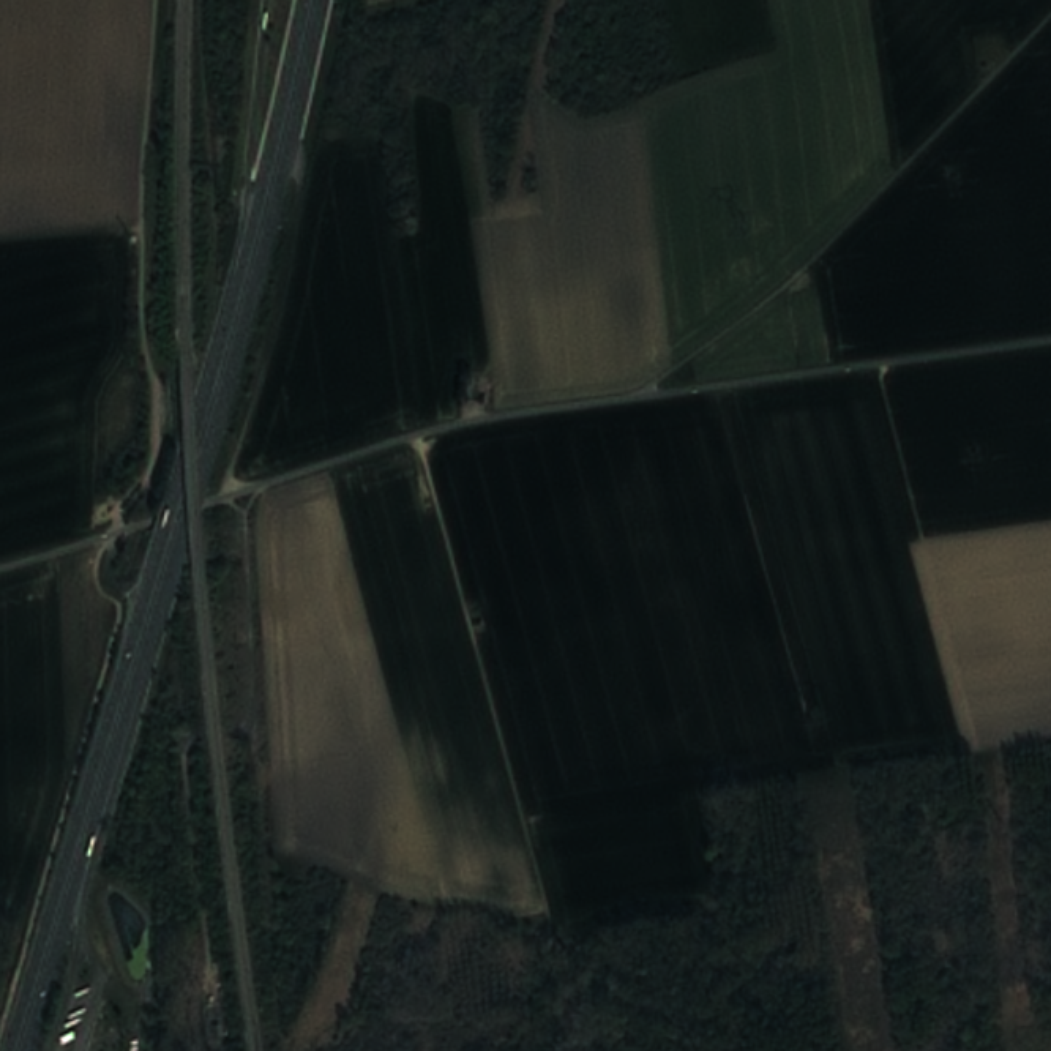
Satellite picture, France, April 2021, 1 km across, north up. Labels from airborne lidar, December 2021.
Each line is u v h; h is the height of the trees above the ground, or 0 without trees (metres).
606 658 0
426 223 0
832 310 0
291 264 0
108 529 0
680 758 0
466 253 0
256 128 0
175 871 19
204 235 7
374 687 0
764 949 22
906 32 0
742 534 0
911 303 0
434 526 0
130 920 0
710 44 0
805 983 21
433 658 0
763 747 0
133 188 0
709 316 0
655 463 0
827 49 0
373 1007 8
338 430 0
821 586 0
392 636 0
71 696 0
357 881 0
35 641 0
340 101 14
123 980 0
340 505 0
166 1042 35
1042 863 6
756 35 0
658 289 0
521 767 0
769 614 0
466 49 18
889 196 0
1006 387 0
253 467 0
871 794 23
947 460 0
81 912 0
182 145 0
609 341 0
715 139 0
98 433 0
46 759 0
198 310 8
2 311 0
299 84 0
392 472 0
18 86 0
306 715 0
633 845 0
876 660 0
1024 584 0
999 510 0
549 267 0
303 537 0
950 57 0
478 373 0
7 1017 0
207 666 0
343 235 0
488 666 0
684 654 0
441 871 0
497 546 0
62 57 0
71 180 0
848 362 0
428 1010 23
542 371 0
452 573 0
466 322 0
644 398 0
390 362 0
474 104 14
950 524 0
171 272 8
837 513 0
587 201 0
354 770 0
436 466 0
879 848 16
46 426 0
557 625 0
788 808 6
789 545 0
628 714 0
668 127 0
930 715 0
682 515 0
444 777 0
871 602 0
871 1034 0
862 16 0
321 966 14
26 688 0
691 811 0
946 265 0
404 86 11
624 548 0
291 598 0
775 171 0
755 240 0
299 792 0
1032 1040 0
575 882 0
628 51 7
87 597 0
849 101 0
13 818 0
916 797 18
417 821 0
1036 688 0
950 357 0
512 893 0
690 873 0
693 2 0
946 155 0
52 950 0
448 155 0
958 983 9
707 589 0
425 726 0
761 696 0
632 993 16
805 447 0
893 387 0
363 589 0
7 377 0
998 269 0
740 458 0
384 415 0
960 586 0
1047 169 0
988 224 0
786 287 0
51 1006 11
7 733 0
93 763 0
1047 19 0
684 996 22
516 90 8
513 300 0
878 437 0
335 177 0
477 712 0
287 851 0
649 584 0
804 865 22
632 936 25
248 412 0
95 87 0
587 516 0
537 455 0
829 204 0
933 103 0
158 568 0
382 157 10
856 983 0
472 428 0
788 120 0
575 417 0
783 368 0
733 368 0
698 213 0
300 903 6
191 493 0
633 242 0
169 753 9
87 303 0
